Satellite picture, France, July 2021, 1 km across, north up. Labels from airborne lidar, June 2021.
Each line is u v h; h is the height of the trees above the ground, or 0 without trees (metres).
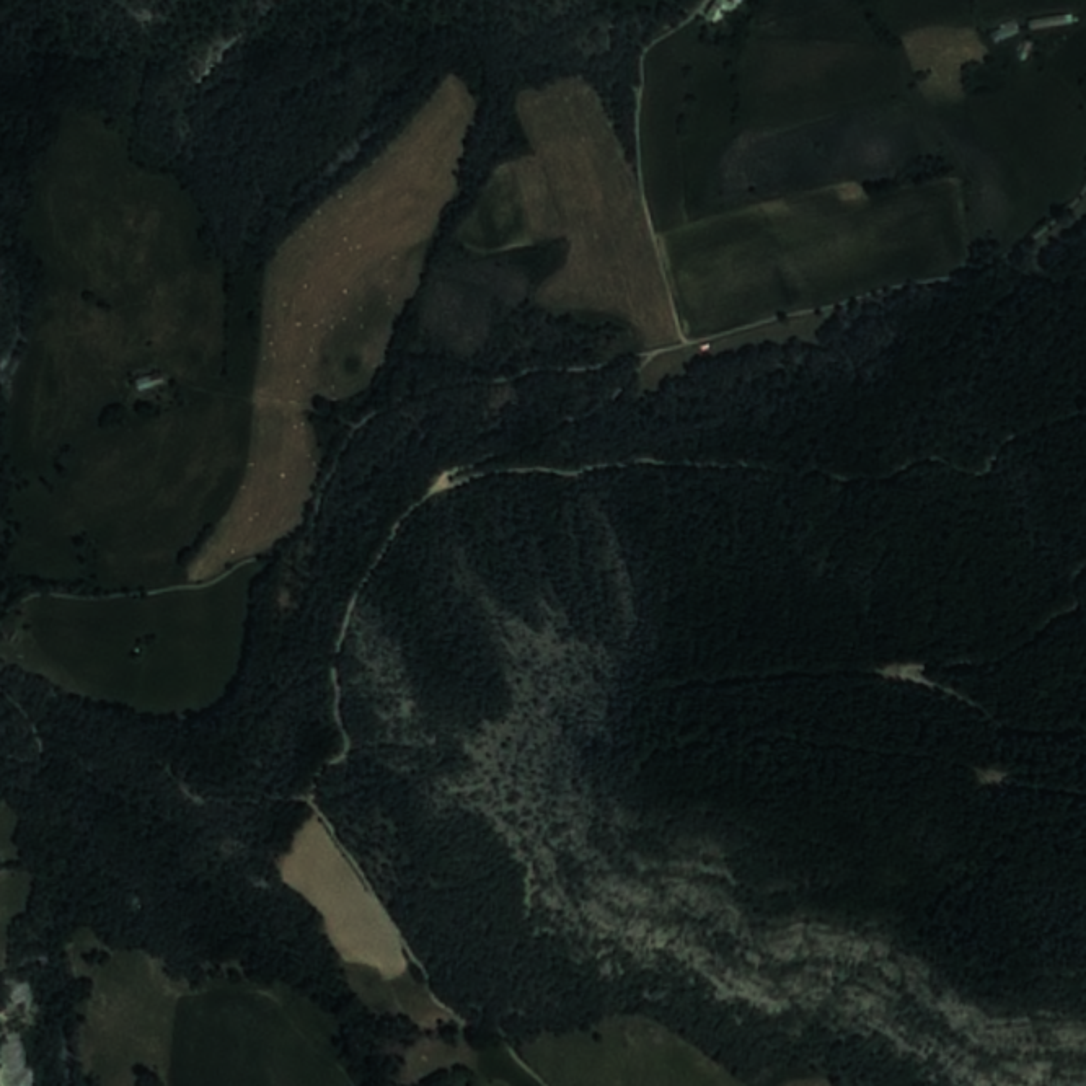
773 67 0
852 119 0
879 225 0
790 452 23
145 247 0
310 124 19
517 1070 0
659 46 0
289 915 17
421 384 19
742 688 14
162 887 15
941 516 9
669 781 11
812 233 0
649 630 7
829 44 0
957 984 8
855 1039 6
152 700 0
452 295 0
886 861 9
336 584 6
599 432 15
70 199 0
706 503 15
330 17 15
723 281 0
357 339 0
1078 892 10
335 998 12
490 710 7
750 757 16
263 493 0
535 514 9
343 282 0
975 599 15
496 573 10
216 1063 0
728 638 14
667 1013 8
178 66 6
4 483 13
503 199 0
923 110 0
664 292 0
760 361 18
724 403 16
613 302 0
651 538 10
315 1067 0
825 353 17
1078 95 0
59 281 0
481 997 12
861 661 18
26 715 6
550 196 0
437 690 10
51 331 0
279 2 12
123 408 13
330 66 18
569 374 10
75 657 0
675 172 0
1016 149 0
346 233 0
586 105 0
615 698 7
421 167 0
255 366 0
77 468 0
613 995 8
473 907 8
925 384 23
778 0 0
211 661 0
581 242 0
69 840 8
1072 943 15
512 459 13
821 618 16
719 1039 9
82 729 14
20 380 0
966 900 11
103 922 16
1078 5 0
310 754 15
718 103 0
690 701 12
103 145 0
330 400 14
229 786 12
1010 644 16
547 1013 8
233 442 0
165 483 0
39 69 24
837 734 20
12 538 12
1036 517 12
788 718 23
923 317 23
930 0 0
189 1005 0
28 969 11
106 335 0
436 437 14
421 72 16
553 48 12
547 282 0
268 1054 0
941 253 0
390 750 7
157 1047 0
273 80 18
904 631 18
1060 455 15
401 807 10
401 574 13
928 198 0
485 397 10
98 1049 0
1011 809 22
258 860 6
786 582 14
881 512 13
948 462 12
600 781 7
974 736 18
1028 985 7
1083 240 16
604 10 11
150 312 0
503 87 16
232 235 13
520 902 6
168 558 0
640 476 11
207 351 0
